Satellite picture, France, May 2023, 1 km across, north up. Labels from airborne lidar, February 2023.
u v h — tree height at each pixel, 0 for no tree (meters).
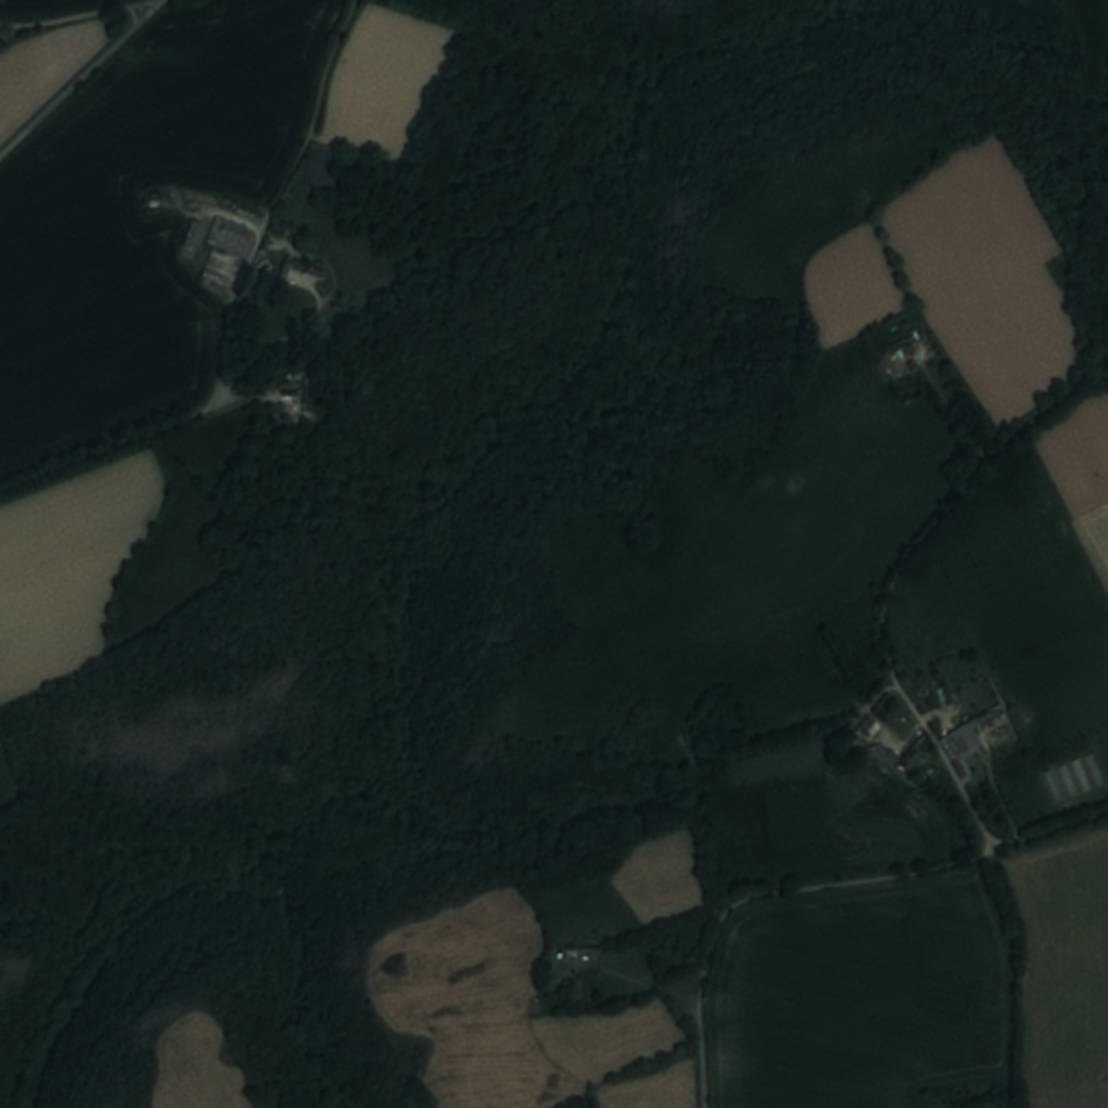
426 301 22
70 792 17
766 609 0
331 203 16
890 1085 0
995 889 14
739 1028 0
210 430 0
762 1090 0
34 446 0
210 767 9
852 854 0
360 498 8
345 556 14
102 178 0
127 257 0
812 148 8
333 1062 16
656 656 0
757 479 0
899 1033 0
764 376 20
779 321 16
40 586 0
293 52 0
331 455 14
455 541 20
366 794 21
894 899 0
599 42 22
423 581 14
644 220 19
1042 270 0
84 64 0
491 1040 0
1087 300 18
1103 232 23
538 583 12
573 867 20
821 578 0
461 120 28
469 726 11
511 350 16
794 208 0
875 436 0
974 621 0
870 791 0
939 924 0
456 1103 0
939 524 14
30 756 12
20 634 0
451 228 27
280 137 0
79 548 0
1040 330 0
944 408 6
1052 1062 0
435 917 0
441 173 27
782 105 18
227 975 10
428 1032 0
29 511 0
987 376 0
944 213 0
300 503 9
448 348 16
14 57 0
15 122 0
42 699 12
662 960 10
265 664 11
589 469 18
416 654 15
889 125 10
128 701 14
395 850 18
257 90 0
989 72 21
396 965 0
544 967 13
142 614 0
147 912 10
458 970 0
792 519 0
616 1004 12
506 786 10
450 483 9
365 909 15
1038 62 25
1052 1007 0
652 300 19
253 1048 13
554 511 21
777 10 17
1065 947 0
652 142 22
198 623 17
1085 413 0
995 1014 0
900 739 0
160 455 0
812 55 20
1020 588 0
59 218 0
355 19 0
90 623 0
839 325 0
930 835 0
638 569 0
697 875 11
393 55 0
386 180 19
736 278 0
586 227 19
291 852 19
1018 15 20
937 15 22
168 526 0
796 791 0
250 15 0
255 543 23
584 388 24
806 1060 0
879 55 19
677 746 0
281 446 20
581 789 16
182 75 0
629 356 22
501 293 8
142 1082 8
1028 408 0
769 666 0
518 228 13
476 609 8
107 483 0
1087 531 0
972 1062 0
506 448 23
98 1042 13
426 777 21
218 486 7
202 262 0
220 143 0
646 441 8
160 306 0
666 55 11
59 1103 14
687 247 6
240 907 17
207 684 11
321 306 0
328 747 10
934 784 9
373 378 15
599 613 0
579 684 0
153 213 0
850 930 0
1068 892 0
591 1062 0
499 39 25
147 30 0
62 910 22
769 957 0
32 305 0
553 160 19
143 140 0
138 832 21
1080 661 0
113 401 0
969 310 0
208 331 0
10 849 14
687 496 0
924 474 0
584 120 9
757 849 0
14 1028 20
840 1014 0
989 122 13
